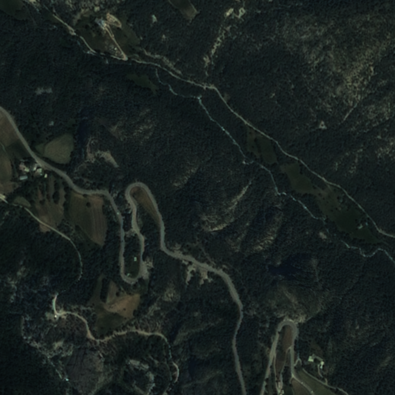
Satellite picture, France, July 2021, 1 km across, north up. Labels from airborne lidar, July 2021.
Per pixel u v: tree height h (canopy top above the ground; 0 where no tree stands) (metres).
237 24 7
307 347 8
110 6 9
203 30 8
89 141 0
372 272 14
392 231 16
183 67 8
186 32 6
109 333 9
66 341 8
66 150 0
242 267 14
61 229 7
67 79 7
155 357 16
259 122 8
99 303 0
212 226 6
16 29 13
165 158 7
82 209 0
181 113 9
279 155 10
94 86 8
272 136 16
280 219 7
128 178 9
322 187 7
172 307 20
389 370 11
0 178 0
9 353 14
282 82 7
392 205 7
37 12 10
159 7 8
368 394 10
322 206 0
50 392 10
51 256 14
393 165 13
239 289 6
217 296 8
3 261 8
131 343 21
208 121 8
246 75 12
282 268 14
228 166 7
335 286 12
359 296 11
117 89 12
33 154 0
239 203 6
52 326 16
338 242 9
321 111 9
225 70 14
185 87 9
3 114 0
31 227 11
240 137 11
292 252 8
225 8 6
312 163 7
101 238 0
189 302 22
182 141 10
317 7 7
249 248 8
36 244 9
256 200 7
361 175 12
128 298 0
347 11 7
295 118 8
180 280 18
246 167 8
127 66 12
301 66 7
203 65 6
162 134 7
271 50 9
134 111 6
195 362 8
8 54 9
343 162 8
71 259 8
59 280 18
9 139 0
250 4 7
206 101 10
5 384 13
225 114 10
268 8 7
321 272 14
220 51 9
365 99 6
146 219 7
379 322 8
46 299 6
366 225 7
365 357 13
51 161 7
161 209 11
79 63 9
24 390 9
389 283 16
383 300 9
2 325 20
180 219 13
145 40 9
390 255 8
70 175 8
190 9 0
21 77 10
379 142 7
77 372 0
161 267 10
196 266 0
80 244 8
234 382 11
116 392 13
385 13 6
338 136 12
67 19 10
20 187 6
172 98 10
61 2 7
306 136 10
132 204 0
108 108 10
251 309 8
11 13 0
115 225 16
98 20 0
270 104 8
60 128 11
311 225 11
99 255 8
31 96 9
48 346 9
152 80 14
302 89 14
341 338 8
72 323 20
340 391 8
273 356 0
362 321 8
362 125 7
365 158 10
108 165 10
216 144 13
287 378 6
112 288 0
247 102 10
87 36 0
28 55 11
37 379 18
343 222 0
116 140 13
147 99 14
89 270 6
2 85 9
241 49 11
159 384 10
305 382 0
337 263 10
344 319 7
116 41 0
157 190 8
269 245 8
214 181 8
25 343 16
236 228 8
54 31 11
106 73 13
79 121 8
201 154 7
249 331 8
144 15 7
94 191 7
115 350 20
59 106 8
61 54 12
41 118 12
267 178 11
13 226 8
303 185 0
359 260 11
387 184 17
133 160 8
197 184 9
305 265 9
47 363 15
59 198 7
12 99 14
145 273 0
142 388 10
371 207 9
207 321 11
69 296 13
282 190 10
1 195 0
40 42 13
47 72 8
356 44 6
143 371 7
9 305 20
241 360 7
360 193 9
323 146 6
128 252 12
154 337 12
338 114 11
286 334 0
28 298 7
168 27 7
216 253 6
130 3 12
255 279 10
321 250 15
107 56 12
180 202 18
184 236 7
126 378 18
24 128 8
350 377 15
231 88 12
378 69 7
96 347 12
